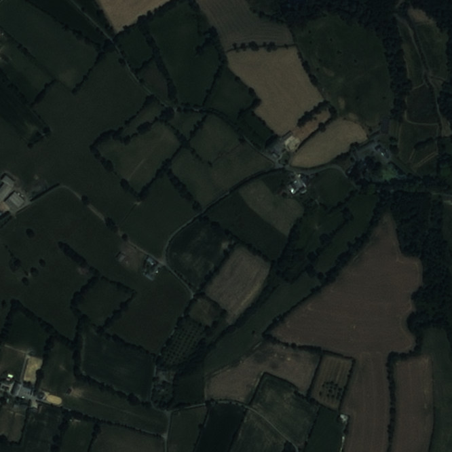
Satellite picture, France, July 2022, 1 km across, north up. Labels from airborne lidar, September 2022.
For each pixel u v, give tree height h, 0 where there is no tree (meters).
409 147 0
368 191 23
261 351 0
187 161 0
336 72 0
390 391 10
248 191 0
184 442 0
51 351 15
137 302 0
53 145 0
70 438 0
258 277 0
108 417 0
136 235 0
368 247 0
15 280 0
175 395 10
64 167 0
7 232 0
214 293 0
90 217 0
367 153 0
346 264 17
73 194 0
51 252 0
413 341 0
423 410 0
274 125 0
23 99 16
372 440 0
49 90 7
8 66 0
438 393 0
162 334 0
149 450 0
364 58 0
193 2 17
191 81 0
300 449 9
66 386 0
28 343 0
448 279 18
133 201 0
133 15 0
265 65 0
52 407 9
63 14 0
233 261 0
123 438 0
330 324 0
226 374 0
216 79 13
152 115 0
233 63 0
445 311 10
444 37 0
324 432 0
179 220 0
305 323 0
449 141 0
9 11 0
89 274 0
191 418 0
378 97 0
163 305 0
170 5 16
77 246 0
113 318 8
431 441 6
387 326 0
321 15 16
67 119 0
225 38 0
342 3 27
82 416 14
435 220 16
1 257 0
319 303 0
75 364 9
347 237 0
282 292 0
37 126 0
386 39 18
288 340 0
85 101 0
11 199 0
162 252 0
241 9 0
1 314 0
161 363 5
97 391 0
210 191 0
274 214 0
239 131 7
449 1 18
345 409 0
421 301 12
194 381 0
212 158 0
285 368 0
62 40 0
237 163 0
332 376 0
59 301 0
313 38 0
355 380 0
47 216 0
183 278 9
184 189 26
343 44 0
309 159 0
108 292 0
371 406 0
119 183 0
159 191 0
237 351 0
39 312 0
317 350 17
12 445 9
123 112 0
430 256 19
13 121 0
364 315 0
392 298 0
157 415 0
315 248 0
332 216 0
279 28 0
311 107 0
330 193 0
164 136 0
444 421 0
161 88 0
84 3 0
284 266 21
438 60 0
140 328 0
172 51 0
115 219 0
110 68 0
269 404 0
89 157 0
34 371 0
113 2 0
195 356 8
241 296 0
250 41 0
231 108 0
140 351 11
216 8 0
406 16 8
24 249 0
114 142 0
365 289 0
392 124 0
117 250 0
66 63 0
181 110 15
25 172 0
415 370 0
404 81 15
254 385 0
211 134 0
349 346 0
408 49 0
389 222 0
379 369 0
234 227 0
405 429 0
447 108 16
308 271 21
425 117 0
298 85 0
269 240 0
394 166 0
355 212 0
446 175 10
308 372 0
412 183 25
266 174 6
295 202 0
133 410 0
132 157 0
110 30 15
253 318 0
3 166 0
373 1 35
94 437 12
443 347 0
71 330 0
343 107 0
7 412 0
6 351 0
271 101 0
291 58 0
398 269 0
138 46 0
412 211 13
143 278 0
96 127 0
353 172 16
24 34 0
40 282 0
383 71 0
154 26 0
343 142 0
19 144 0
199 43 0
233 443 7
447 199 0
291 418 0
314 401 13
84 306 0
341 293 0
